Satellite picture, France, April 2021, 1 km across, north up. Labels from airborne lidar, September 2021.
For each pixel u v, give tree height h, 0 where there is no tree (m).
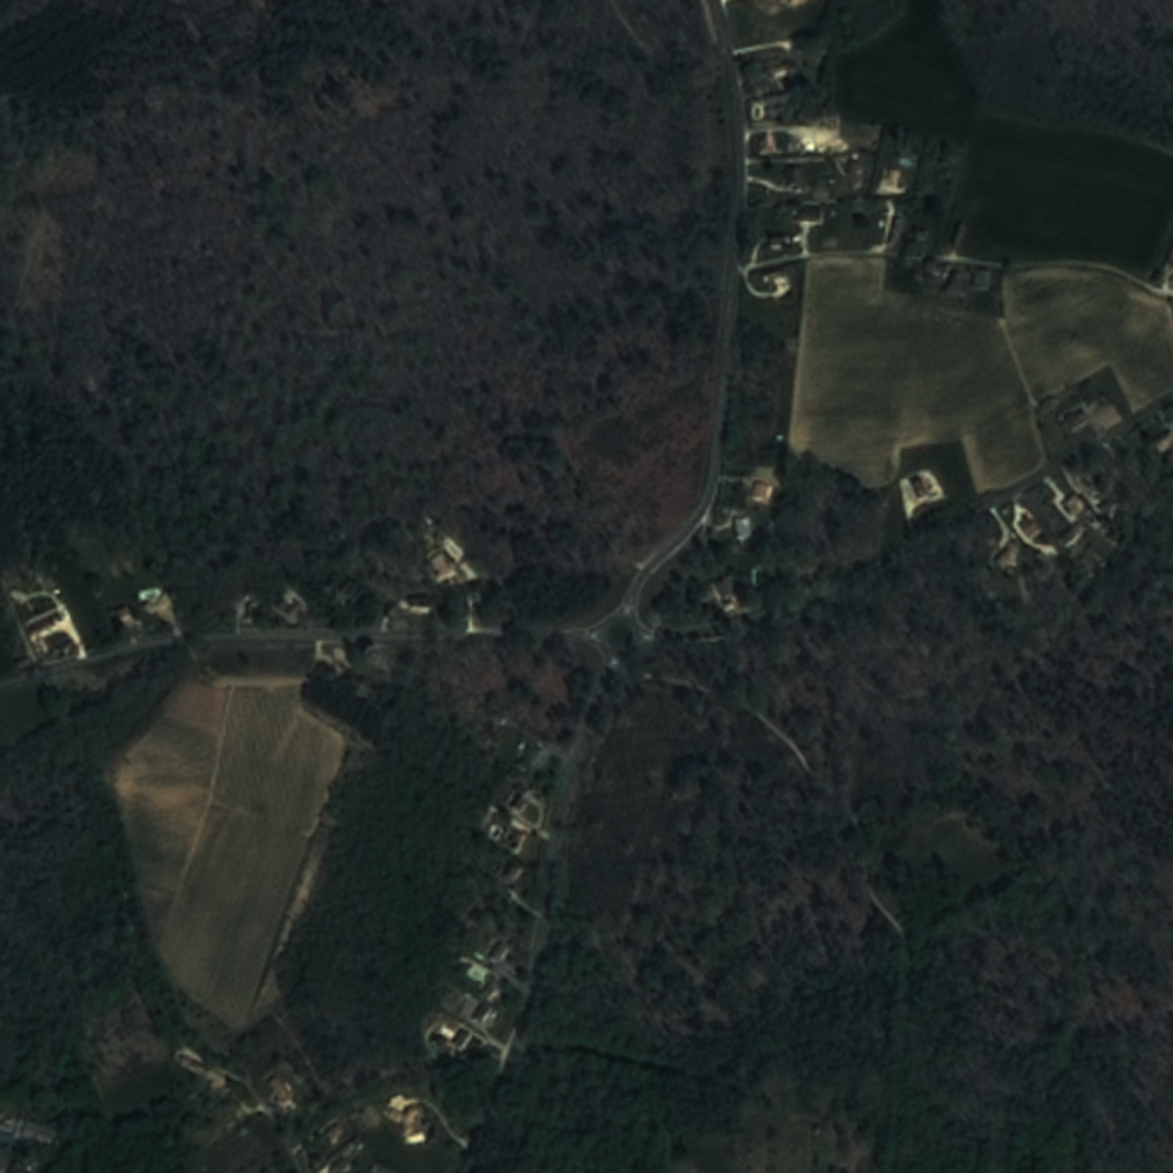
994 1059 23
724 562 23
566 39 14
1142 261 0
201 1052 10
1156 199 0
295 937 9
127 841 11
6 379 20
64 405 18
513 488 5
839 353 0
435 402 12
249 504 14
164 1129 7
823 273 0
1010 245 0
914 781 15
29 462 23
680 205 20
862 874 14
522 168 13
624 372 11
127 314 9
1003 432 0
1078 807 7
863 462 0
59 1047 12
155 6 24
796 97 20
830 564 20
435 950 12
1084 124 21
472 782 15
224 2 18
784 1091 27
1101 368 0
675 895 17
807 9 0
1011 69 17
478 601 17
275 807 0
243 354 8
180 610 17
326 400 17
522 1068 22
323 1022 11
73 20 12
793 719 13
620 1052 26
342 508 10
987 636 11
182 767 0
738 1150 13
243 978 0
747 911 19
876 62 0
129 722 12
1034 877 27
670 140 19
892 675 16
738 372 11
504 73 20
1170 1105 17
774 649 26
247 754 0
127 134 12
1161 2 15
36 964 11
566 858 11
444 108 9
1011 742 25
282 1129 14
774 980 22
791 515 11
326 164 12
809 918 17
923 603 17
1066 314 0
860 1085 20
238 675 0
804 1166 0
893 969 18
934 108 0
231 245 7
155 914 0
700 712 23
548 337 25
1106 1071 20
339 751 0
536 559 13
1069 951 23
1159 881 21
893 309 0
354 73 21
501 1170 15
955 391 0
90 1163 16
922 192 6
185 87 19
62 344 13
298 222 23
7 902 18
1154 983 24
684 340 22
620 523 9
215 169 8
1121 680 11
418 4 12
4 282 11
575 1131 18
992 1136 23
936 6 10
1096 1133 27
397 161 9
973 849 0
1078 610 8
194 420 16
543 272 13
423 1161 0
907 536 0
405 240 10
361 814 15
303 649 0
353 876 15
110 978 18
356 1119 17
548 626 20
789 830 13
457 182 12
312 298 9
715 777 23
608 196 18
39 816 6
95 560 9
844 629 23
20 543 20
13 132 16
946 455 0
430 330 11
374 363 19
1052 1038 18
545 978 14
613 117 28
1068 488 0
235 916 0
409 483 9
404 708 13
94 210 8
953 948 20
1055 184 0
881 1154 24
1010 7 10
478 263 9
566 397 8
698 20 18
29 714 0
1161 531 12
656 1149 28
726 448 13
